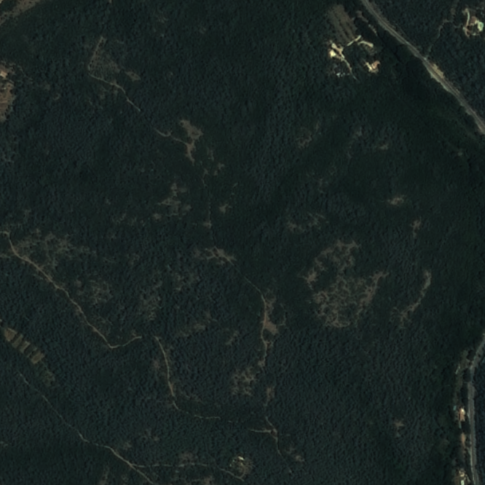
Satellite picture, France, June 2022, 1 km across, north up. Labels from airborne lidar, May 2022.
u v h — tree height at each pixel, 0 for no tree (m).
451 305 13
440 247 14
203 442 19
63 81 8
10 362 21
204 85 10
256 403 15
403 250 22
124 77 8
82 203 7
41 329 16
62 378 17
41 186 9
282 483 18
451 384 23
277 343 14
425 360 9
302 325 8
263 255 6
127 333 6
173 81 9
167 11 12
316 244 8
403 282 17
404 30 10
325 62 8
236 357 15
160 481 17
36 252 6
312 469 19
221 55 8
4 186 11
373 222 9
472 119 14
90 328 7
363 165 7
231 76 10
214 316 6
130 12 9
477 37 8
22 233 7
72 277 7
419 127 12
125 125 16
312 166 7
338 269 12
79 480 6
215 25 11
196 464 12
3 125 8
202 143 6
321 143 8
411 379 22
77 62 10
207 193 7
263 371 13
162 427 19
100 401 20
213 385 15
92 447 9
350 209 20
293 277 7
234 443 20
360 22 19
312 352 20
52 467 15
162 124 16
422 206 7
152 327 17
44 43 14
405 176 9
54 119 15
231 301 8
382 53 9
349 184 8
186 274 15
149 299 17
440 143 13
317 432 18
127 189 8
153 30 13
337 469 19
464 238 10
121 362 18
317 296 0
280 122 19
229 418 6
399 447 21
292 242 8
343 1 12
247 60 9
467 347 12
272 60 24
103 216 7
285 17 17
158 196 7
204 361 13
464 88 10
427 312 22
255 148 10
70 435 14
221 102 21
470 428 15
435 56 10
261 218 11
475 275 10
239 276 6
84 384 20
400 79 14
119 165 7
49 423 19
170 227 9
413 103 6
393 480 16
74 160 9
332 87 16
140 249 7
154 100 14
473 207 8
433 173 20
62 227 6
